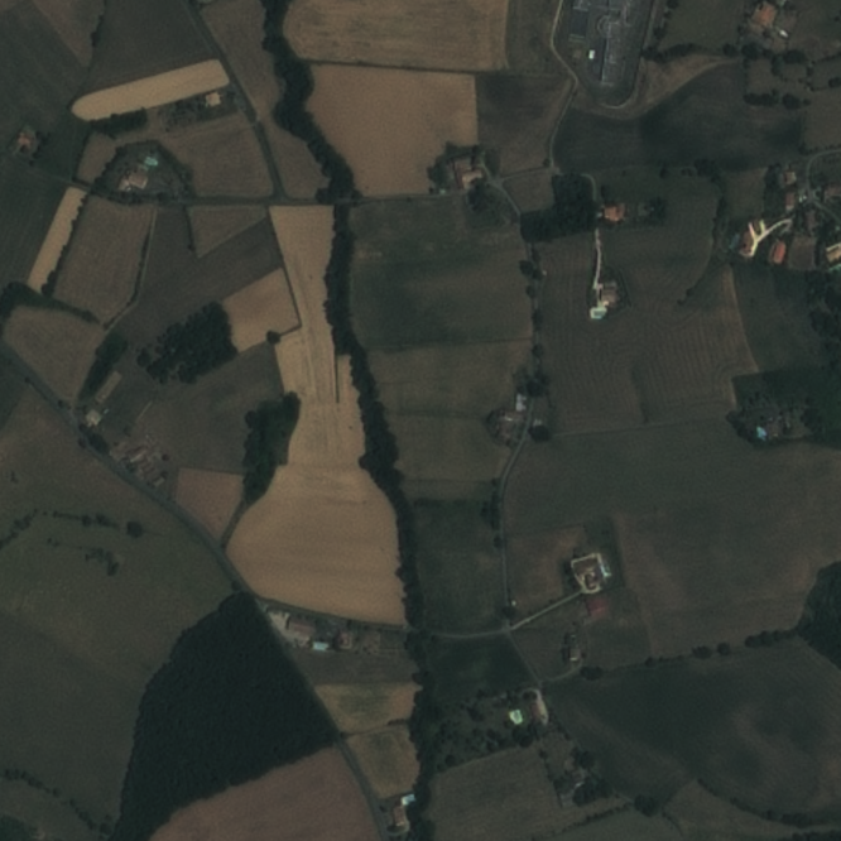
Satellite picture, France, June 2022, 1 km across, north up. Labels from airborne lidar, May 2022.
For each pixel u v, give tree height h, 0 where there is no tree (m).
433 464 0
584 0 0
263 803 0
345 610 0
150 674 0
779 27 0
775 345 0
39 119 0
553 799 0
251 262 0
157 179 0
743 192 0
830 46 0
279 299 0
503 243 0
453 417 0
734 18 0
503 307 0
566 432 0
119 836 9
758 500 0
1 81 0
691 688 0
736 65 0
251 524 0
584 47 0
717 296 0
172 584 0
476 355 0
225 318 12
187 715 15
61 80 0
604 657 0
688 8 0
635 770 0
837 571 12
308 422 0
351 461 0
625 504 0
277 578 0
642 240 0
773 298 0
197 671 14
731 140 0
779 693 0
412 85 0
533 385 14
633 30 0
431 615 0
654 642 0
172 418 0
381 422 15
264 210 0
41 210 0
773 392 6
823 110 0
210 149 0
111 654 0
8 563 0
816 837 24
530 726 9
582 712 0
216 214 0
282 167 0
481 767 0
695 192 0
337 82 0
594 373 0
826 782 0
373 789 0
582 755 10
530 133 0
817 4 0
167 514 0
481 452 0
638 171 0
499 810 0
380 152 0
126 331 0
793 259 0
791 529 0
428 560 0
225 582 0
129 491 0
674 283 0
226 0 0
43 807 0
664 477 0
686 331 0
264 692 23
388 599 0
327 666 0
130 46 0
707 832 0
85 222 0
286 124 11
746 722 0
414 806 14
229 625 16
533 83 0
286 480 0
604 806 0
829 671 0
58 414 0
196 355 12
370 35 0
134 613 0
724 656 12
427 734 12
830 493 0
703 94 0
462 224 0
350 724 0
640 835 0
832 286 12
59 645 0
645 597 0
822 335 9
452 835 0
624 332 0
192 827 0
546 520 0
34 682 0
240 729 19
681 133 0
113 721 0
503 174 0
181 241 0
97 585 0
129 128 6
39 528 0
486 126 0
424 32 0
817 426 9
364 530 0
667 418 0
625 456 0
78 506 0
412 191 0
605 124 0
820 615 8
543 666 0
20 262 0
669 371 0
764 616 0
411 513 12
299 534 0
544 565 0
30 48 0
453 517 0
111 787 0
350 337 14
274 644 18
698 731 0
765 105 9
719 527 0
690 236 0
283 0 20
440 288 0
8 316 11
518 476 0
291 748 20
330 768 0
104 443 9
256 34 0
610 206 9
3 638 0
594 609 0
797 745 0
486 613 0
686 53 10
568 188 15
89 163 0
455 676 0
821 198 7
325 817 0
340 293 15
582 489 0
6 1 0
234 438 0
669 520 0
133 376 0
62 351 0
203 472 0
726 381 0
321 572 0
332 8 0
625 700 0
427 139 0
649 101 0
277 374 0
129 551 0
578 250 0
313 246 0
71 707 0
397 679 0
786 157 0
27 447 0
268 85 0
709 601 0
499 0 0
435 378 0
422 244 0
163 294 0
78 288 0
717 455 0
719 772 0
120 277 0
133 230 0
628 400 0
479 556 0
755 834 0
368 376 18
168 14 0
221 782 19
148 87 0
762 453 0
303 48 0
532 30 0
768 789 0
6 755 0
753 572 0
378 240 0
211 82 0
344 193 20
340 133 0
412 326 0
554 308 0
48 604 0
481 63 0
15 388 0
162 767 16
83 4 0
